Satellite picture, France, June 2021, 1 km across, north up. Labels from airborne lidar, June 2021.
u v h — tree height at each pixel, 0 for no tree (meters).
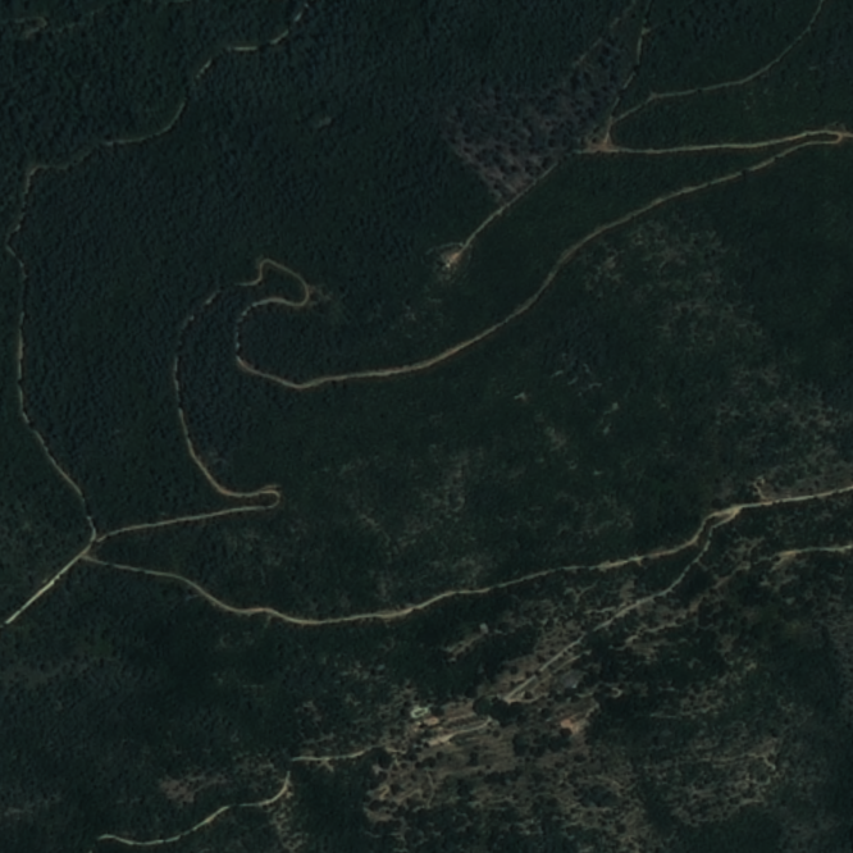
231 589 9
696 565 8
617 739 6
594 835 6
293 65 8
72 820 8
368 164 11
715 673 8
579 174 8
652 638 9
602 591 10
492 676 10
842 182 12
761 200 6
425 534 5
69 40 5
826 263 10
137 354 7
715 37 12
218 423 15
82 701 17
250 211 14
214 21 13
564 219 5
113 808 11
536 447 5
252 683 6
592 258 8
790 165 10
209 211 14
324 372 12
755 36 10
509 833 9
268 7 11
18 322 10
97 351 15
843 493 6
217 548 17
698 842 9
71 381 7
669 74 9
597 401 10
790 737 9
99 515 11
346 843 8
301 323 11
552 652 7
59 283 12
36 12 6
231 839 8
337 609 9
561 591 8
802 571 8
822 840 6
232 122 19
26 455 7
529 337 8
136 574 9
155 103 10
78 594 7
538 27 14
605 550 6
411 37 13
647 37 8
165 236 16
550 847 12
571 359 12
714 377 6
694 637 9
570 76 17
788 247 11
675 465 7
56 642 11
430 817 12
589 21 16
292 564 8
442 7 19
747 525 7
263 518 5
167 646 15
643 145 6
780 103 6
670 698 8
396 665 8
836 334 7
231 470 9
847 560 9
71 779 15
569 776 6
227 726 6
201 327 15
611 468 6
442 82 19
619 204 6
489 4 15
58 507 8
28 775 11
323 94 12
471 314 7
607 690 10
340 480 6
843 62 14
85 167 14
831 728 6
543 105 12
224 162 9
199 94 18
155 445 11
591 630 10
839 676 9
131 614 13
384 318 6
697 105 6
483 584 8
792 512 7
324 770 7
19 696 7
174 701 9
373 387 6
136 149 9
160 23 9
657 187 9
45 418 17
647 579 7
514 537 8
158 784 10
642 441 9
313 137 13
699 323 6
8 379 11
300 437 7
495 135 16
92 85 18
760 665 6
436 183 16
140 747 9
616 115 11
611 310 8
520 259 9
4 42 16
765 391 5
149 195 16
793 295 8
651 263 6
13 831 11
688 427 7
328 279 7
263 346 10
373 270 10
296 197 14
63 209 18
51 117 16
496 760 0
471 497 9
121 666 12
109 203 11
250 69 15
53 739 12
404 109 17
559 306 10
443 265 6
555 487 6
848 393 11
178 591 10
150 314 16
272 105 17
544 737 10
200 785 8
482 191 9
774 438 12
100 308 9
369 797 8
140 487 8
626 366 10
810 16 7
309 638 8
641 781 7
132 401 16
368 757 9
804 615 9
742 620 6
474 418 5
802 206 9
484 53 17
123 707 15
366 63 17
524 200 6
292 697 9
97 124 18
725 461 11
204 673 12
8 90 21
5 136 7
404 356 5
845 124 6
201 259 7
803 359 7
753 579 8
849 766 11
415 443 6
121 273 8
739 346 7
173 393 7
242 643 9
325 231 8
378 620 7
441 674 9
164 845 7
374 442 6
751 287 8
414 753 8
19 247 15
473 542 5
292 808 6
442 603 9
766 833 6
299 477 5
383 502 6
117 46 9
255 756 7
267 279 8
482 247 7
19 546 7
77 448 14
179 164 10
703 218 7
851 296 12
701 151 8
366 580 10
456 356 7
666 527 10
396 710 6
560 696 10
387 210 9
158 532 7
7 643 12
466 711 0
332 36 14
